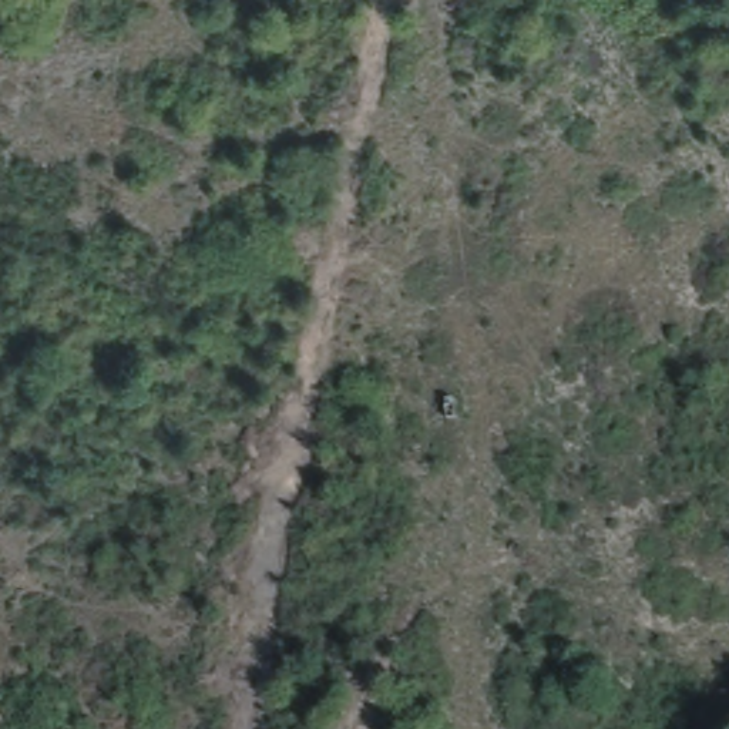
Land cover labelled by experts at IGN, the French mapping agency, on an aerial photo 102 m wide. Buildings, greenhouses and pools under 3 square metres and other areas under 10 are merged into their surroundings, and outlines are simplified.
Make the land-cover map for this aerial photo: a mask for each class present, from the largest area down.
<instances>
[{"label":"brushwood","instance_id":"1","mask_svg":"<svg viewBox=\"0 0 729 729\"><path fill-rule=\"evenodd\" d=\"M145 0H0V51L14 60H46L51 57L63 28L74 31L83 43H114L117 31L125 28L128 17H142ZM171 9L185 11L191 26L208 37L196 54L154 57L140 71H120L114 97L125 117L120 148L114 145L103 154L91 151L88 157H68L51 165H37L28 157L3 159V148L9 145V140L0 134V729H234L228 723L222 698L208 695V689L199 681L202 661L208 652L205 626L219 612L208 592L219 587L231 595L239 592V584L222 575V555L239 538L256 530L262 507V490L251 493L242 501L234 498V487L242 481V476L259 470L248 456L245 444L251 433H265L276 421L288 393H293L302 384L296 362L299 339L310 319L313 268L305 265V259L296 253L293 239L302 228H325L330 216L339 174L336 148L342 145V134L347 131L362 97L359 57L350 40V23L362 9H376L384 17V23L390 17H402L407 0H171ZM268 11H282L288 23L316 17L319 34L296 40L290 43V48L282 51V57H288V63L293 65L285 80L268 83L265 88H259L256 83H236L231 77V65H245L259 57V51H253L251 23L265 20ZM57 345H63L65 350H74L77 345H94L91 382L97 387L125 390L145 362H154L157 384L151 387L145 404L131 410L97 407V416L74 433H68L63 424L80 410L77 402L63 393L51 404L48 416L31 427L28 444L23 450H14L11 433L17 430L20 419L31 410L34 402L28 393V373L37 365V350H48ZM450 20L444 63L453 83H473V77L484 71H490L495 80L510 83L524 71V65L533 68L541 60H550L561 48L555 34H575V20L581 14H589L584 9V0H447ZM678 31L666 40L638 46V40L629 37L621 54L635 65L638 88L646 100H675L698 142L706 140L703 125L715 114L729 111V0H720V6H683L678 17H672ZM584 322L575 330H567L561 342L550 350V362L558 365L561 379L570 382L575 376H584V387H578L572 396L555 404H541L530 410L521 427L504 430L507 447L493 453V461L504 476L501 487L495 490L498 513H507L515 521H538L544 530L552 533L575 535V552L592 544L589 530L618 527V507H632L641 498H649L652 510L661 515L655 521H646L635 533L632 547L638 555V567L644 572H638L629 581L632 589L644 592L655 615H669L672 621H729V322L720 313L706 310L692 336H683V330L675 322H664L658 342L646 345L644 333L638 330L635 305L626 290L601 288L587 293L578 302ZM390 373L387 365L376 359L330 365L313 384L308 430H296L293 436L308 450V464L299 467L296 493L285 501V564L279 572H268V581L276 587L271 626L276 632H290L302 638V646L308 652L325 655L322 672L313 681L296 686L290 706L273 709L271 686L253 692L256 723L251 729H313L308 723V712L316 709L333 686H353V706L350 712H342V723L336 729H396L393 712L387 706H379L376 701L373 683L379 675L393 681H421V692L433 698V703H439L453 692V675L439 646V618L427 609H416L404 629L384 632L382 618L393 609V601H379L376 589L384 564L396 552L402 555L410 544V535L404 530L413 527L410 507L416 484L410 476L402 473V461H419L439 473L456 456V436L453 424L430 430L402 402L393 399L387 404ZM515 587L527 595V607L521 609V621L504 629L507 641L504 649L495 652L490 675L493 712L507 729H664L678 712V686L695 683V689H701L703 683L692 664L652 661L649 666L644 661H635L632 689H621L615 695L612 715L607 720H601L587 703H564L558 709H550L547 689L530 686V681L544 661V638L558 635V624L570 612V601H564L555 589H538L527 572L513 575Z\"/></svg>","mask_w":729,"mask_h":729},{"label":"herbaceous vegetation","instance_id":"2","mask_svg":"<svg viewBox=\"0 0 729 729\"><path fill-rule=\"evenodd\" d=\"M208 37L191 26L185 11L171 9V0H145L142 17H128L125 28L117 31L114 43H83L74 31L63 28L51 57L46 60H14L0 51V134L9 140V145L3 148V159L28 157L37 165H51L68 157H88L91 151L103 154L114 145L120 148L125 117L114 97L120 71H140L154 57L196 54ZM450 20L447 0H407L402 17H390L384 23V17L376 9H362L350 23V40L359 57L362 97L347 131L342 134V145L336 148L339 174L330 216L325 228H302L293 239L296 253L305 259V265L313 268L310 319L299 339L296 362L302 384L293 393H288L276 421L265 433H251L245 444L248 456L259 470L242 476V481L234 487V498L242 501L251 493L262 490V507L256 530L239 538L222 555V575L239 584V592L231 595L219 587L208 592L219 612L205 626L208 652L202 661L199 681L208 689V695L222 698L228 723L234 729H251L256 723L253 692L271 686L282 675L285 664L308 652L302 646V638L290 632H276L271 626L276 587L268 581V572H279L285 564V501L296 493L299 467L308 464V450L293 436L296 430H308L313 384L330 365L376 359L387 365L390 373L387 404L393 399L402 402L430 430L453 424L456 436V456L439 473L419 461H402V473L410 476L416 484L410 507L413 527L404 530L410 535V544L402 555L396 552L384 564L376 589L379 601H393V609L382 618L384 632L404 629L416 609H427L439 618V646L453 675V692L439 703L441 712L450 715L447 729H507L493 712L490 675L495 652L504 649L507 641L504 629L521 621V609L527 607V595L515 587L513 575L527 572L538 589H555L564 601H570V612L558 624V635L587 641L589 652L601 655V666L612 669L615 695L621 689H632L635 661H644L649 666L652 661L692 664L703 683L701 689H695V683L678 686V712L664 729H729V621H672L669 615H655L644 592L632 589L629 581L638 572H644L638 567V555L632 547L635 533L646 521H655L661 515L652 510L649 498H641L632 507H618V527L589 530L592 544L575 552V535L552 533L544 530L538 521H515L507 513H498L495 490L501 487L504 476L493 461V453L507 447L504 430L521 427L530 410L541 404H555L572 396L578 387H584V376H575L570 382L561 379L558 365L550 362V350L561 342L567 330H575L584 322L578 302L587 293L601 288L626 290L635 305L638 330L644 333L646 345L658 342L664 322H675L683 330V336H692L706 310L720 313L729 322V111L715 114L703 125L706 140L698 142L675 100H646L638 88L635 65L621 54L629 37L626 31L607 26L601 17L589 14H581L575 20V34H555L561 48L550 60H541L533 68L524 65V71L510 83L495 80L490 71H484L473 77V83H453L444 63Z\"/></svg>","mask_w":729,"mask_h":729},{"label":"deciduous trees","instance_id":"3","mask_svg":"<svg viewBox=\"0 0 729 729\"><path fill-rule=\"evenodd\" d=\"M683 6H720V0H584V9L589 14L601 17L607 26L626 31L629 37L638 40V46L666 40L678 31L672 17H678ZM253 51H259V57L245 65H231V77L236 83H256L259 88H265L268 83L285 80L293 65L288 63V57H282V51L290 48V43L296 40L319 34L316 17L288 23L282 11H268L265 20L251 23ZM94 345H77L74 350H65L63 345H57L48 350H37V365L28 373V393L34 402L31 410L20 419L17 430L11 433L14 450H23L28 444L31 427L48 416L51 404L63 393L77 402L80 410L63 424L68 433H74L97 416V407L131 410L145 404L151 387L157 384L154 362H145L125 390L97 387L91 382ZM601 655L589 652L587 641L558 635L544 638V661L530 681V686L547 689L550 709H558L564 703H587L601 720H607L612 715L615 695L612 669L601 666ZM325 655L308 652L285 664L282 675L271 686L273 709L290 706L296 686L313 681L322 672ZM376 701L379 706H387L393 712L396 729H447L450 715L441 712L439 703H433V698L421 692V681H393L379 675L373 683ZM353 706V686H333L316 709L308 712V723L313 729H336L342 723V712H350Z\"/></svg>","mask_w":729,"mask_h":729}]
</instances>
